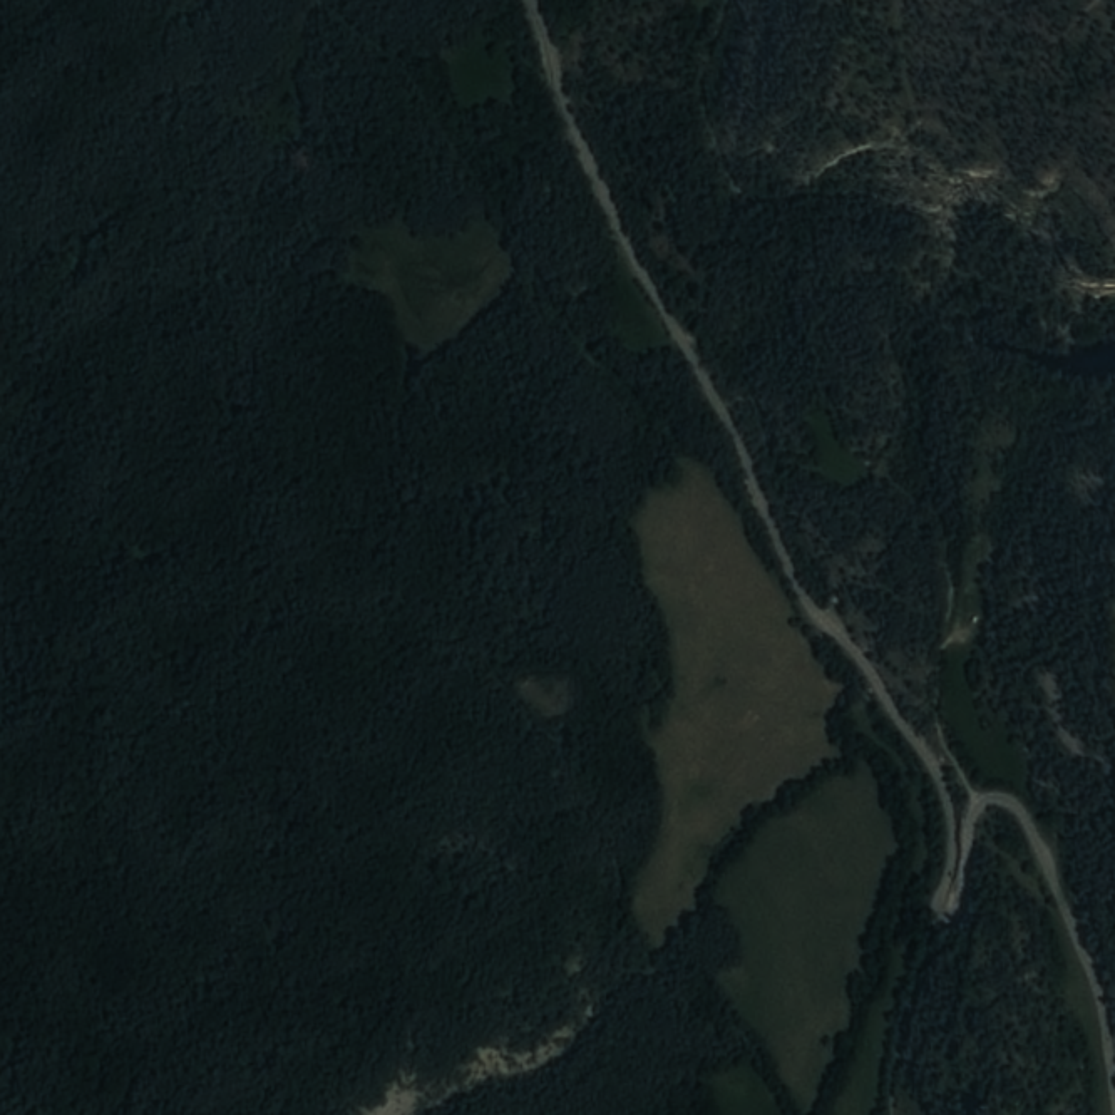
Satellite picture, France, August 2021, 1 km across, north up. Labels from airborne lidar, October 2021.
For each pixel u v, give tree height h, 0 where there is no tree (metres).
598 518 20
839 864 0
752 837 14
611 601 18
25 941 24
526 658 9
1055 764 9
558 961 11
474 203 18
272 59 0
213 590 20
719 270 10
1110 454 10
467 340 11
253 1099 17
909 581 11
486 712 15
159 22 17
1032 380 8
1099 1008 0
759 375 15
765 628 0
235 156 15
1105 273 10
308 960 22
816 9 8
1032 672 7
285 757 24
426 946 15
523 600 19
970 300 22
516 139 15
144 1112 13
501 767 13
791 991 0
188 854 21
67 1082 25
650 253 16
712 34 15
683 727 0
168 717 19
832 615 0
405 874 10
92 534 23
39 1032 22
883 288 19
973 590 0
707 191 18
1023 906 9
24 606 17
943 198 9
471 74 0
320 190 21
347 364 23
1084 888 14
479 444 14
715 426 18
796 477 8
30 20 11
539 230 18
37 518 23
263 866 18
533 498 21
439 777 12
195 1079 19
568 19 9
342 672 19
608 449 20
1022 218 6
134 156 21
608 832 18
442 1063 14
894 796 16
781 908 0
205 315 17
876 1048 0
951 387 8
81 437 21
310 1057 16
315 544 20
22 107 21
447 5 22
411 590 16
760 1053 13
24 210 13
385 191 17
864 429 14
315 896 21
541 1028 18
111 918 31
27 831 21
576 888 15
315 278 14
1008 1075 10
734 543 0
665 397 15
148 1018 21
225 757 23
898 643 11
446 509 20
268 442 22
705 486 0
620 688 17
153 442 21
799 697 0
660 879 0
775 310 14
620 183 18
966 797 7
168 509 17
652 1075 19
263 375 26
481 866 13
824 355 13
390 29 15
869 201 18
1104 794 13
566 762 12
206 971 11
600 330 19
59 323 18
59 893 25
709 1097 21
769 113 7
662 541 0
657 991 20
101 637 15
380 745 17
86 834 19
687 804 0
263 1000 17
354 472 22
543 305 11
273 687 15
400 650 19
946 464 17
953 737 7
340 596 17
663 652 15
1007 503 11
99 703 22
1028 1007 10
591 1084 17
